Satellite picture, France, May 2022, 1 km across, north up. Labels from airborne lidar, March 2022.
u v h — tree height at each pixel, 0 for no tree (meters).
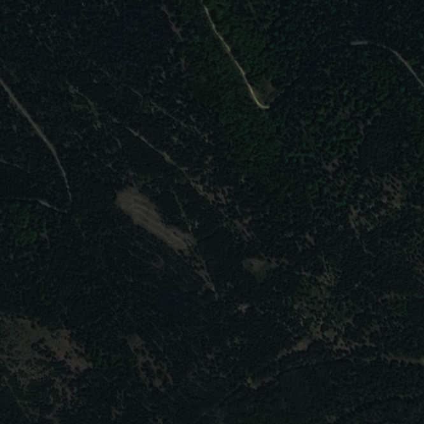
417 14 29
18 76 7
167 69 28
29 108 8
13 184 12
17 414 10
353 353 16
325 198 15
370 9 25
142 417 11
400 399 31
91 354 14
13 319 7
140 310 14
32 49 28
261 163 16
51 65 29
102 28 18
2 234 11
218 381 17
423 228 7
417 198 14
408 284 15
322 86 16
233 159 11
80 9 29
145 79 14
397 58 19
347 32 20
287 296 8
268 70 21
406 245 12
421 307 12
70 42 10
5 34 30
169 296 15
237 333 9
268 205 12
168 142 13
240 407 17
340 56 20
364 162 13
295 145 17
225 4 26
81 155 23
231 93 21
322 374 14
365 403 13
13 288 17
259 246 14
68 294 12
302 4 28
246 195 15
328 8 24
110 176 27
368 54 21
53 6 12
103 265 16
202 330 15
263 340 10
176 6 24
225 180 13
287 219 17
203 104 15
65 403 7
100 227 15
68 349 0
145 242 15
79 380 12
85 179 23
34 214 28
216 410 11
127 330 18
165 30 29
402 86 21
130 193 0
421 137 22
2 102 7
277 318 9
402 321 13
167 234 0
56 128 29
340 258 7
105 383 13
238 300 9
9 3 9
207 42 20
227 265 15
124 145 15
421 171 20
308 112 16
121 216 19
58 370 7
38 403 9
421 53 30
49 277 18
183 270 16
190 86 16
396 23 30
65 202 32
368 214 14
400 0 21
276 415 18
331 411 26
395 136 14
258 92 0
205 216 8
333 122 17
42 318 18
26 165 23
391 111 17
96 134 24
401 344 13
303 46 25
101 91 13
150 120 14
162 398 19
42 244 20
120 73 31
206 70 21
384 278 14
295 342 8
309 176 17
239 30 25
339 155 17
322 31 19
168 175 9
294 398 18
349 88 19
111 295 13
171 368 11
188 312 14
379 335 12
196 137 10
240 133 17
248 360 14
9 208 26
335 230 16
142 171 12
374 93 22
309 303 8
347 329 12
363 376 17
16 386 6
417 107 22
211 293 17
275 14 22
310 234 9
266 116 19
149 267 16
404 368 13
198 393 16
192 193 13
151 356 8
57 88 29
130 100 14
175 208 13
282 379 16
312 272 11
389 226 11
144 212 0
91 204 20
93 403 12
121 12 10
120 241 16
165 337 13
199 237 11
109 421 14
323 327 10
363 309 11
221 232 10
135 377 18
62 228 20
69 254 15
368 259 13
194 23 19
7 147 24
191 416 18
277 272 14
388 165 15
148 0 12
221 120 18
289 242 13
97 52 12
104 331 21
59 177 21
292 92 21
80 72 16
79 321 20
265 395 17
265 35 23
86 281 15
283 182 15
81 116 13
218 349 7
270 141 22
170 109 15
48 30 16
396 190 14
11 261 12
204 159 10
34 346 10
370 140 15
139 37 28
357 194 10
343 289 10
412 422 33
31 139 21
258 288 11
